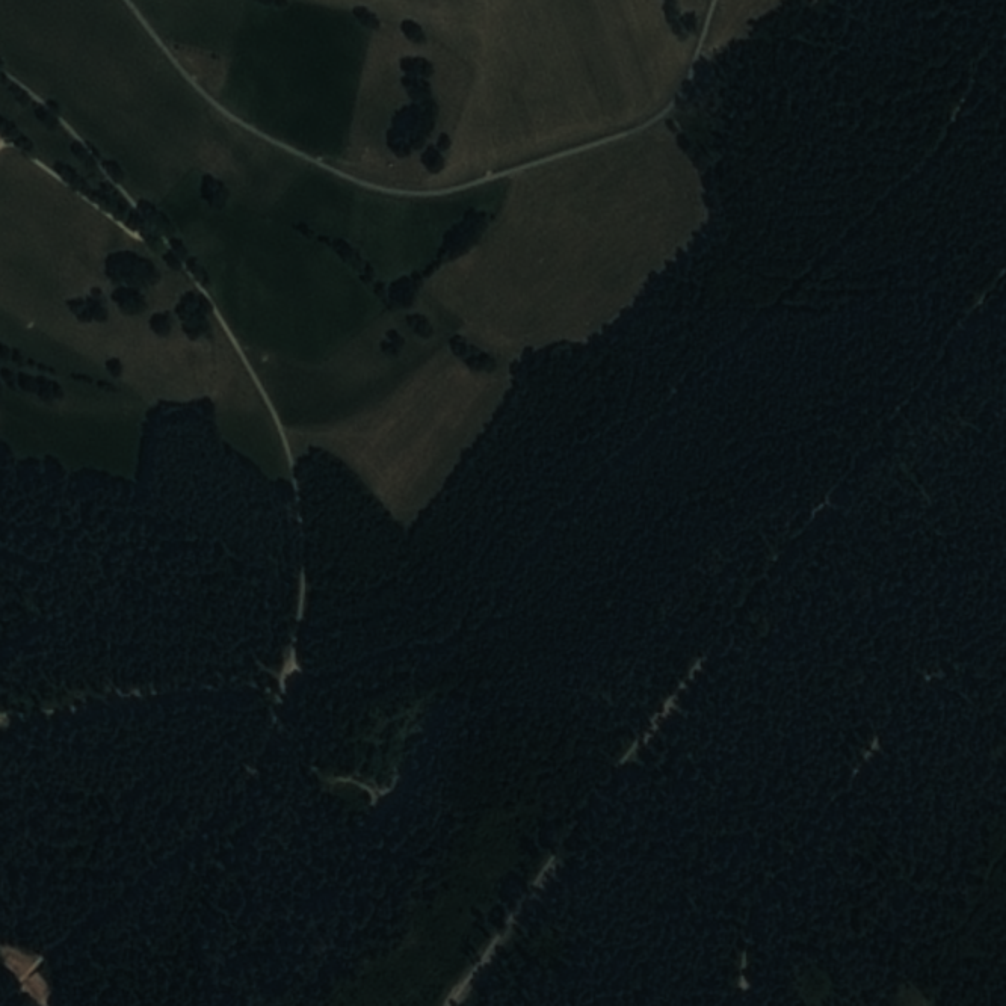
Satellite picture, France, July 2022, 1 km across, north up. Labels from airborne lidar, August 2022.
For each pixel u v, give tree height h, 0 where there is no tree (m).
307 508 9
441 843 27
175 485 27
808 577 29
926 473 25
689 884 31
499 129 0
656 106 0
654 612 22
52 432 0
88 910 9
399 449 0
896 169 16
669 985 23
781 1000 20
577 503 19
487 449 13
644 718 26
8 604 11
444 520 14
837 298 17
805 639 33
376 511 12
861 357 26
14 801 22
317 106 0
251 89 0
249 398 0
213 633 18
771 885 6
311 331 0
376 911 23
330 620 15
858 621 33
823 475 23
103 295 18
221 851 11
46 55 0
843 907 21
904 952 26
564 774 16
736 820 33
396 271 0
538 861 13
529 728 17
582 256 0
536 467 22
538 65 0
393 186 0
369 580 11
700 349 23
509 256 0
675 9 17
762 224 21
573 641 21
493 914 6
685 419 21
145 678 27
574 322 0
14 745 33
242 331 0
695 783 29
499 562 21
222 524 31
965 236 15
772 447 20
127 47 0
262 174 0
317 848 33
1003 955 15
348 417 0
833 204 18
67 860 27
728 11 0
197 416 28
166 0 0
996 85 19
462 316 0
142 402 0
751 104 18
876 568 29
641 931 30
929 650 29
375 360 0
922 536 26
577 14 0
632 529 23
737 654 31
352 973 25
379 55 0
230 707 36
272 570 27
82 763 35
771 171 15
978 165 16
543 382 14
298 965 21
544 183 0
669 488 20
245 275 0
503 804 17
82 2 0
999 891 12
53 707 0
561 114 0
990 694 27
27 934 34
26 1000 14
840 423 26
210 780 36
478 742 20
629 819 37
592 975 24
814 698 31
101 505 16
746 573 21
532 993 33
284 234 0
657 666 26
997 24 18
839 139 15
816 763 33
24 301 0
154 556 27
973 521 28
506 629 20
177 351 0
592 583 24
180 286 0
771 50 7
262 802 40
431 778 24
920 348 26
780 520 23
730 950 31
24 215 0
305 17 0
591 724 13
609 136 0
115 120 0
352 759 15
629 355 18
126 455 0
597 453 19
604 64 0
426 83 12
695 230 0
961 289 20
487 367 7
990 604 33
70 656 33
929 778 27
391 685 19
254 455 0
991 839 5
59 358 0
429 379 0
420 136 19
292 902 15
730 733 34
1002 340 25
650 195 0
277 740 29
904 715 29
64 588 37
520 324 0
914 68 23
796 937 6
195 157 0
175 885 35
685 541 25
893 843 26
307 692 24
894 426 23
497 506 16
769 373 23
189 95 0
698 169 13
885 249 20
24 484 38
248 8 0
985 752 36
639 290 0
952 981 23
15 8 0
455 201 0
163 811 33
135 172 0
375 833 20
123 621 34
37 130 0
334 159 0
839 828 32
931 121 16
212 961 42
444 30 0
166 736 31
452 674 21
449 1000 0
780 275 17
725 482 24
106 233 0
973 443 24
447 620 20
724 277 19
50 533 35
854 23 28
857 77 24
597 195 0
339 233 0
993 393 17
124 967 17
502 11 0
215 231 0
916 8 19
